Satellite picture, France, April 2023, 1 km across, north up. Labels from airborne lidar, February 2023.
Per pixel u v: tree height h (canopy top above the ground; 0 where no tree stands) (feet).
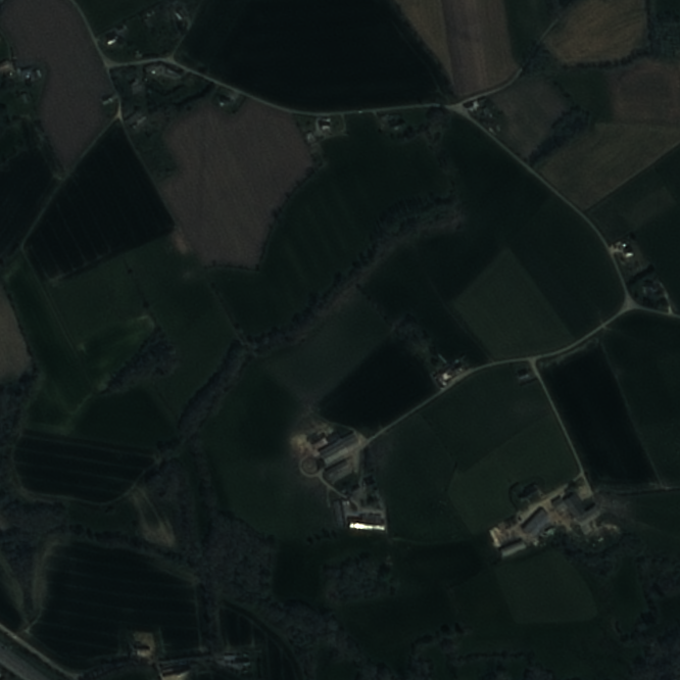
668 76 0
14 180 0
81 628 0
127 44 24
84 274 0
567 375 0
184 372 0
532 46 0
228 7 0
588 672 0
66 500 0
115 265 0
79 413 0
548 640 0
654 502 0
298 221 0
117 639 0
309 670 49
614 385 0
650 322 0
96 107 0
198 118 0
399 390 0
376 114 0
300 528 0
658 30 48
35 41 0
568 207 0
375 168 0
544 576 0
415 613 0
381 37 0
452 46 0
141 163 0
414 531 0
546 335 0
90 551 0
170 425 0
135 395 0
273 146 0
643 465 0
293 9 0
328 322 0
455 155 0
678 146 0
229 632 0
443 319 0
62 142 0
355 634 0
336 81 0
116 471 0
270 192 0
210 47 0
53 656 0
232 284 0
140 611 0
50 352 0
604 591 0
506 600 0
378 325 0
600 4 0
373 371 0
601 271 0
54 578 0
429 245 0
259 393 0
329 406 0
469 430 0
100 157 0
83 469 0
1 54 0
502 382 0
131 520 0
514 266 0
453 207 24
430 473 0
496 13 0
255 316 0
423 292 0
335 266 0
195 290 0
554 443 0
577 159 0
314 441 0
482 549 0
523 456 0
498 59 0
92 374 0
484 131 0
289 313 0
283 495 0
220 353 0
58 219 0
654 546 0
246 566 61
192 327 0
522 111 0
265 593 39
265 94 0
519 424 0
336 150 0
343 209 0
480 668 0
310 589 0
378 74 0
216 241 0
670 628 0
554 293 0
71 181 0
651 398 0
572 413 0
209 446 0
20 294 0
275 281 0
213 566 47
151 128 0
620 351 0
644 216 0
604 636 0
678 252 0
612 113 0
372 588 27
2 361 0
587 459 0
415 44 0
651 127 0
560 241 0
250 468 0
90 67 0
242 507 0
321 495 0
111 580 0
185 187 0
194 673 0
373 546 0
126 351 0
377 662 0
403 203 0
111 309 0
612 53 0
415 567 0
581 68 28
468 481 0
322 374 0
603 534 0
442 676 0
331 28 0
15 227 0
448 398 0
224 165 0
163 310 0
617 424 0
